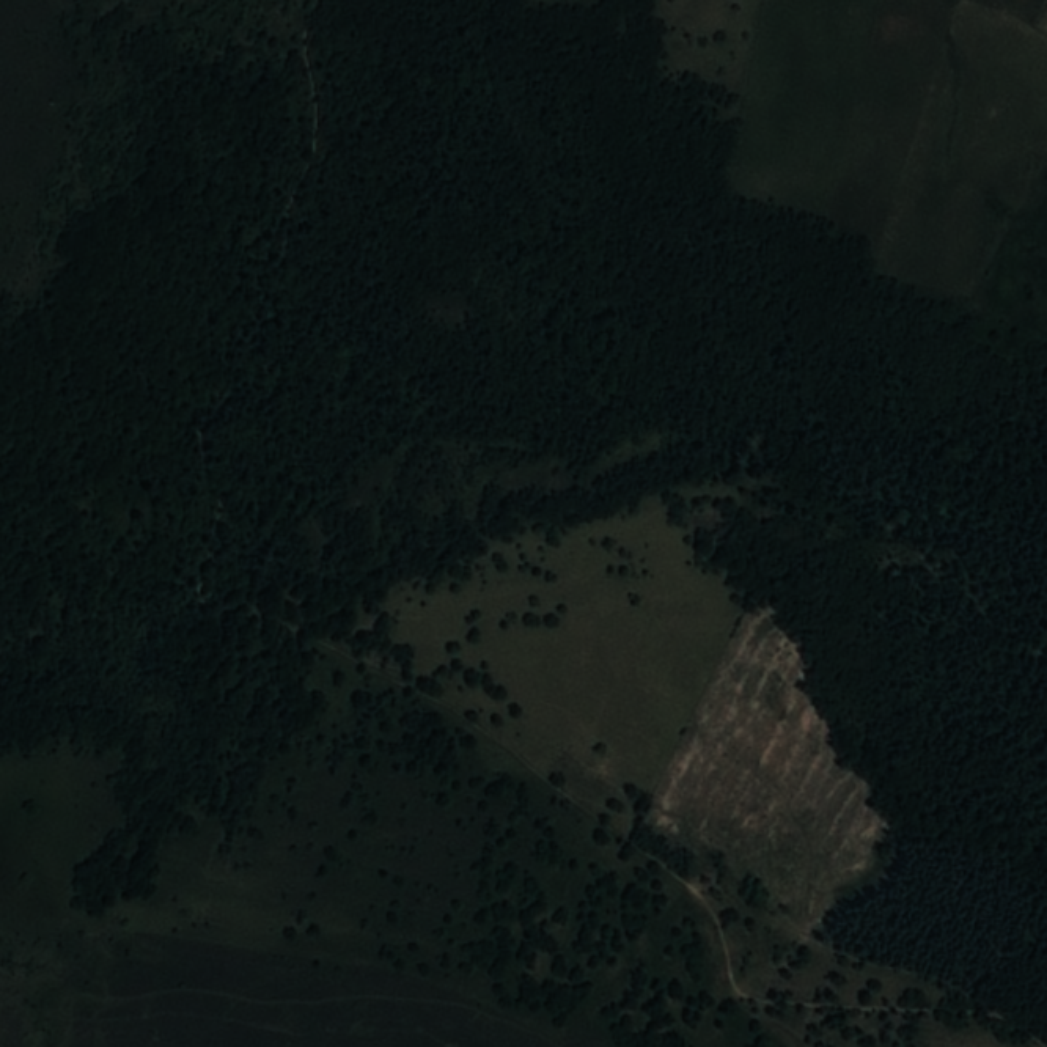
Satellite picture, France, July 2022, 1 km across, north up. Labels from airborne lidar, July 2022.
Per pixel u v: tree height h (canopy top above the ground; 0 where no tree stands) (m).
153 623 8
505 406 9
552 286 9
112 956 0
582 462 7
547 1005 7
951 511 13
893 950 20
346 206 11
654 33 9
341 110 7
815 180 0
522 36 7
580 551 0
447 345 8
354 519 9
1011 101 0
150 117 8
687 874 11
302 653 8
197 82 10
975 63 0
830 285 7
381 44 9
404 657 9
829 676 10
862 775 18
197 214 12
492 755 0
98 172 8
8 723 14
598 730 0
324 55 6
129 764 10
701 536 11
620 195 8
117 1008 0
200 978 0
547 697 0
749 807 0
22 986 0
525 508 9
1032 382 9
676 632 0
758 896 11
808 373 13
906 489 20
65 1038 0
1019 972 17
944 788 13
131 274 11
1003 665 11
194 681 13
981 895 24
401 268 8
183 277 15
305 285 10
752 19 0
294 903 0
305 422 11
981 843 18
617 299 10
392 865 0
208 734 10
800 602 13
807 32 0
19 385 12
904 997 7
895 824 14
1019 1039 10
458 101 12
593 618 0
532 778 0
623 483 10
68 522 12
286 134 9
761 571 10
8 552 14
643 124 9
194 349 16
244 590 11
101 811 0
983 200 0
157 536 11
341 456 8
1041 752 19
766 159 0
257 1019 0
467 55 9
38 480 13
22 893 0
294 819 7
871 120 0
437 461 6
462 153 9
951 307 7
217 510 6
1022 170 0
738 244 12
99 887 11
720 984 0
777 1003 6
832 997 14
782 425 8
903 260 0
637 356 10
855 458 12
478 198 9
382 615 8
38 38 0
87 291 14
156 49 8
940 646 14
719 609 0
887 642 7
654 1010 13
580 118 8
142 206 10
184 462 11
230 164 10
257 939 0
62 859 0
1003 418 14
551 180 11
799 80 0
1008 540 19
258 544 10
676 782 0
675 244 10
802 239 11
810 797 0
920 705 12
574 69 8
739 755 0
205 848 0
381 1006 0
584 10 7
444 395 14
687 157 10
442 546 10
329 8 10
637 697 0
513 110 9
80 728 12
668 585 0
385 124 16
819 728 0
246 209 10
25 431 14
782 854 0
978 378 9
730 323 11
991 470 17
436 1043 0
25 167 0
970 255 0
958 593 14
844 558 8
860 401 10
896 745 19
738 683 0
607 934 10
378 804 0
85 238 13
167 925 0
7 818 0
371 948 0
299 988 0
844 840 0
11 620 9
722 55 0
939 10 0
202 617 15
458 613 0
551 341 14
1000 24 0
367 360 14
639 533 0
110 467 17
